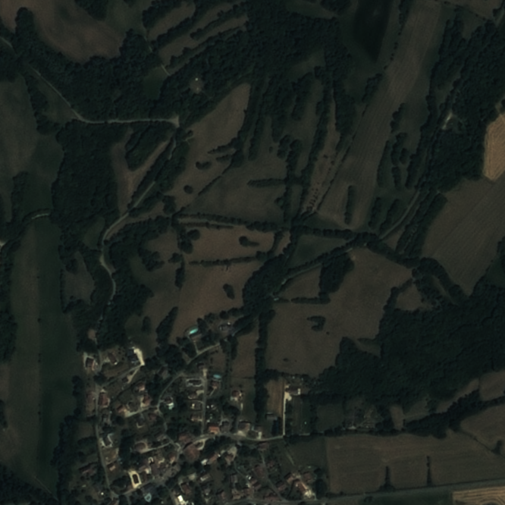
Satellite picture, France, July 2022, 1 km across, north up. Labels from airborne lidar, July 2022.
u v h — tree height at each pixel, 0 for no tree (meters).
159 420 8
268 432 0
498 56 20
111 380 8
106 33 0
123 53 19
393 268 0
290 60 21
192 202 0
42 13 0
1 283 20
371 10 0
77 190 19
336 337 0
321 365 0
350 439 0
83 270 0
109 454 0
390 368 7
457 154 18
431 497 0
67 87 22
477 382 0
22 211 15
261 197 0
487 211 0
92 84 20
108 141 18
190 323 0
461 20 8
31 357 0
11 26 0
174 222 15
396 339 20
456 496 0
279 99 17
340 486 0
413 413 0
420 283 19
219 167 0
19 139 0
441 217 0
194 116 9
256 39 10
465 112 13
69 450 17
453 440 0
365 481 0
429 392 8
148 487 0
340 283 11
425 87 0
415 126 0
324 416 0
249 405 0
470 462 0
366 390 7
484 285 11
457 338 17
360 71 0
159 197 18
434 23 0
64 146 10
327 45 15
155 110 18
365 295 0
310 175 8
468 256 0
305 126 0
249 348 0
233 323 0
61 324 0
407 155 16
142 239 14
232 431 7
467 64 13
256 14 14
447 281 16
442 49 13
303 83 15
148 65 18
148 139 16
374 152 0
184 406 17
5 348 17
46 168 0
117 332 11
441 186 21
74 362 0
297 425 0
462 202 0
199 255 0
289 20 20
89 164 18
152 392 21
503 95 19
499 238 0
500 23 0
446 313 17
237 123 0
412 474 0
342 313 0
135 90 14
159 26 0
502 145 0
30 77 14
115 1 0
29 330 0
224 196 0
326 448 0
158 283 0
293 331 0
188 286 0
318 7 0
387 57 0
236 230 0
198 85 0
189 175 0
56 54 8
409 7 8
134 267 0
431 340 12
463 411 15
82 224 17
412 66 0
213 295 0
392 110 0
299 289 0
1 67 18
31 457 0
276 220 0
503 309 20
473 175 12
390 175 0
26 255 0
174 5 16
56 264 0
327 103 16
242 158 12
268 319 10
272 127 6
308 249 0
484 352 20
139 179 0
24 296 0
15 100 0
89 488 0
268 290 17
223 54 5
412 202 0
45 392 0
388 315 13
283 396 0
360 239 16
